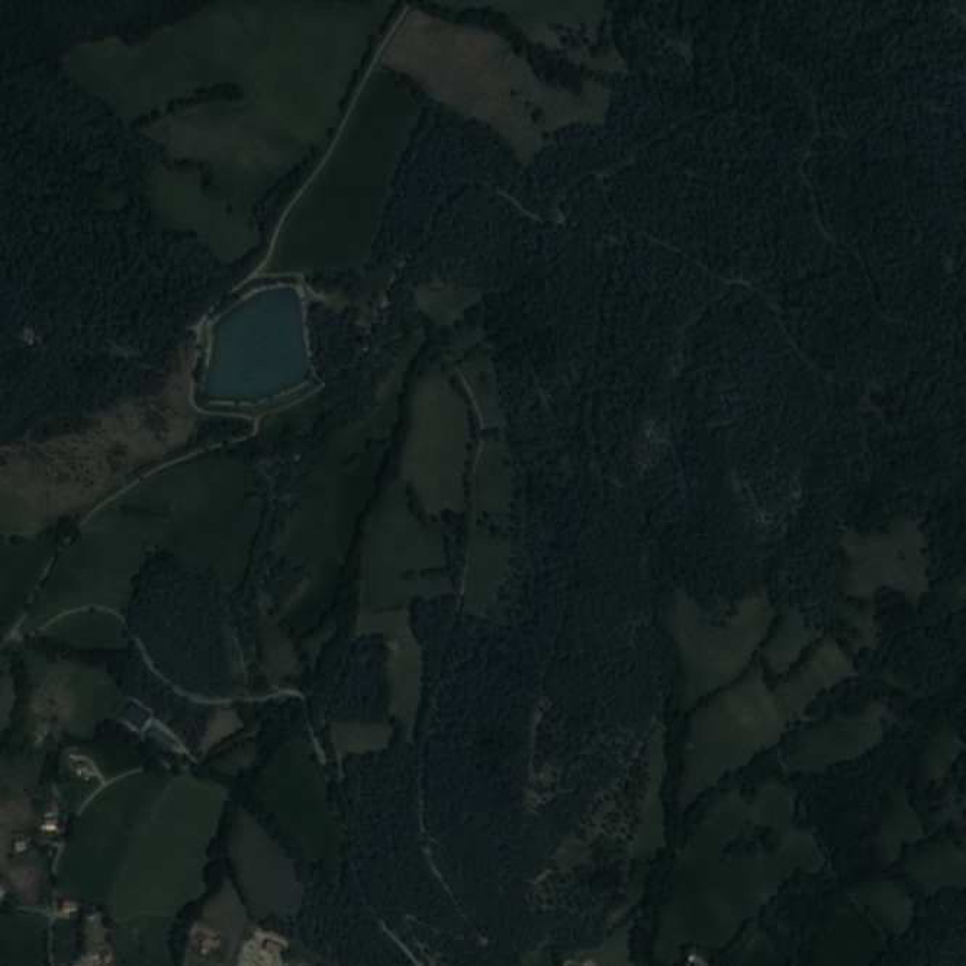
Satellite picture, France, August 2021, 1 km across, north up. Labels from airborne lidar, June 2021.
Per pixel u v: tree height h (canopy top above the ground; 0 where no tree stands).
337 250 0
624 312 11
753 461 11
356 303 0
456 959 10
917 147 18
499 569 0
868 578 0
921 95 13
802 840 0
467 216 10
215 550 0
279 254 0
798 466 11
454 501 0
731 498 14
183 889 0
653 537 10
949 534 16
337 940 10
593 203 10
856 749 0
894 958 9
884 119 9
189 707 15
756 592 15
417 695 0
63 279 8
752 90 8
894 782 11
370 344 8
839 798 9
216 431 11
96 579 0
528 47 14
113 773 0
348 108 8
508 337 11
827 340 11
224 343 0
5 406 18
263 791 0
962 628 7
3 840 0
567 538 10
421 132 13
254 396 0
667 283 14
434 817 10
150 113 0
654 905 13
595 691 17
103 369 16
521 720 13
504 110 0
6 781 0
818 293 13
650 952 11
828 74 11
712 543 10
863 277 13
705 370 12
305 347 0
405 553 0
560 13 0
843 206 12
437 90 0
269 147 0
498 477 0
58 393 14
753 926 10
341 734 0
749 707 0
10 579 0
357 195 0
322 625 7
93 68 0
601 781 8
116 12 19
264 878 0
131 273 17
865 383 8
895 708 8
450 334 16
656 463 12
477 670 14
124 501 0
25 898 0
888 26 8
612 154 13
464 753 13
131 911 0
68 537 11
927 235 11
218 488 0
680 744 17
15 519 0
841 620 6
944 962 11
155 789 0
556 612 10
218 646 13
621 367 13
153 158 17
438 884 11
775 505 10
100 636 0
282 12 0
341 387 15
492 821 14
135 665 14
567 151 10
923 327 11
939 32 8
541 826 14
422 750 9
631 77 8
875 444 12
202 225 0
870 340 9
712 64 16
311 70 0
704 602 12
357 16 0
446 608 13
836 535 11
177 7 21
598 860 7
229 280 10
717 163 6
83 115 24
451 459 0
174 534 0
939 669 14
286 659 0
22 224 19
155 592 16
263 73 0
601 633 14
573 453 10
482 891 11
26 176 19
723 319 15
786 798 0
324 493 0
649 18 21
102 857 0
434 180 14
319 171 0
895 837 0
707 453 14
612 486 14
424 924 8
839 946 0
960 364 19
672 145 9
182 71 0
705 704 10
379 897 13
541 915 12
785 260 15
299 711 20
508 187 10
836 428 9
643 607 15
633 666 11
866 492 14
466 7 0
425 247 12
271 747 20
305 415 0
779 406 12
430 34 0
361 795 11
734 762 0
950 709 10
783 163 8
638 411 11
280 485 9
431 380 0
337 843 0
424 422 0
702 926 0
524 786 12
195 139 0
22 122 20
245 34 0
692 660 0
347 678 11
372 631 0
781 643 0
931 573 11
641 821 11
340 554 0
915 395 11
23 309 14
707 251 6
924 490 9
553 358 7
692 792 0
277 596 12
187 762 10
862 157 9
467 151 10
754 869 0
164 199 0
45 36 19
